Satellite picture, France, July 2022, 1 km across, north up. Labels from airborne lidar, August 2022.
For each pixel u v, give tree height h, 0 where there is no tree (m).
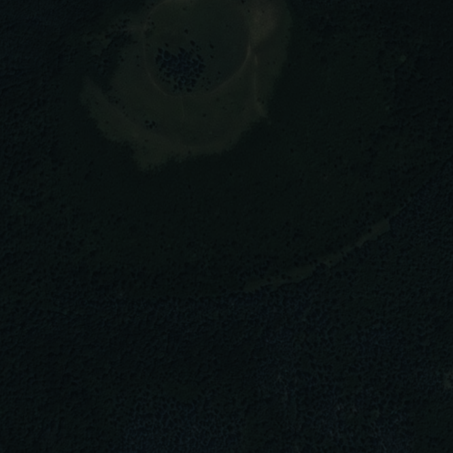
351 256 16
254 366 22
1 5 18
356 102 6
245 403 17
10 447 22
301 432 16
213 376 14
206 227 6
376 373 14
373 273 7
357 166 14
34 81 27
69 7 19
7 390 15
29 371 21
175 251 6
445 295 7
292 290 8
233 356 23
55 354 18
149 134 0
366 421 13
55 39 16
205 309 19
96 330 23
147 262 9
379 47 7
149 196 7
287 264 8
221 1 0
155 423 8
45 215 13
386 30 17
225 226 7
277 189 8
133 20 0
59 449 7
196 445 27
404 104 17
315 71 6
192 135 0
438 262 6
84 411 19
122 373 16
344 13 16
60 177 8
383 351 22
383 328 8
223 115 0
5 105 24
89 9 18
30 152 17
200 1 0
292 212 7
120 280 15
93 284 18
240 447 15
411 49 15
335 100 7
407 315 7
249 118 0
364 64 6
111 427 7
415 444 7
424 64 22
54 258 10
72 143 7
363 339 10
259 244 10
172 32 0
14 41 21
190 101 0
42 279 14
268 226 7
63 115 7
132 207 6
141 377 15
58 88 11
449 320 9
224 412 9
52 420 7
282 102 5
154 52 0
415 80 17
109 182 6
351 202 7
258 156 6
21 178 12
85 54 7
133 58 0
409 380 16
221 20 0
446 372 7
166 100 0
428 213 11
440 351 15
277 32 0
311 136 7
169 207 7
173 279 17
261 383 26
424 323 13
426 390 15
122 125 0
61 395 20
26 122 9
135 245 8
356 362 13
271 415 20
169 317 17
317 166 6
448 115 19
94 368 19
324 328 19
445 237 10
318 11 16
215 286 10
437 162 15
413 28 12
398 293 5
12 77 26
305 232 8
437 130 22
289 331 25
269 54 0
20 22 25
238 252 8
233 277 8
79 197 8
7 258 21
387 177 10
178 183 6
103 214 7
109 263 6
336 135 8
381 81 6
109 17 5
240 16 0
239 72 0
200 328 14
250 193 8
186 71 22
